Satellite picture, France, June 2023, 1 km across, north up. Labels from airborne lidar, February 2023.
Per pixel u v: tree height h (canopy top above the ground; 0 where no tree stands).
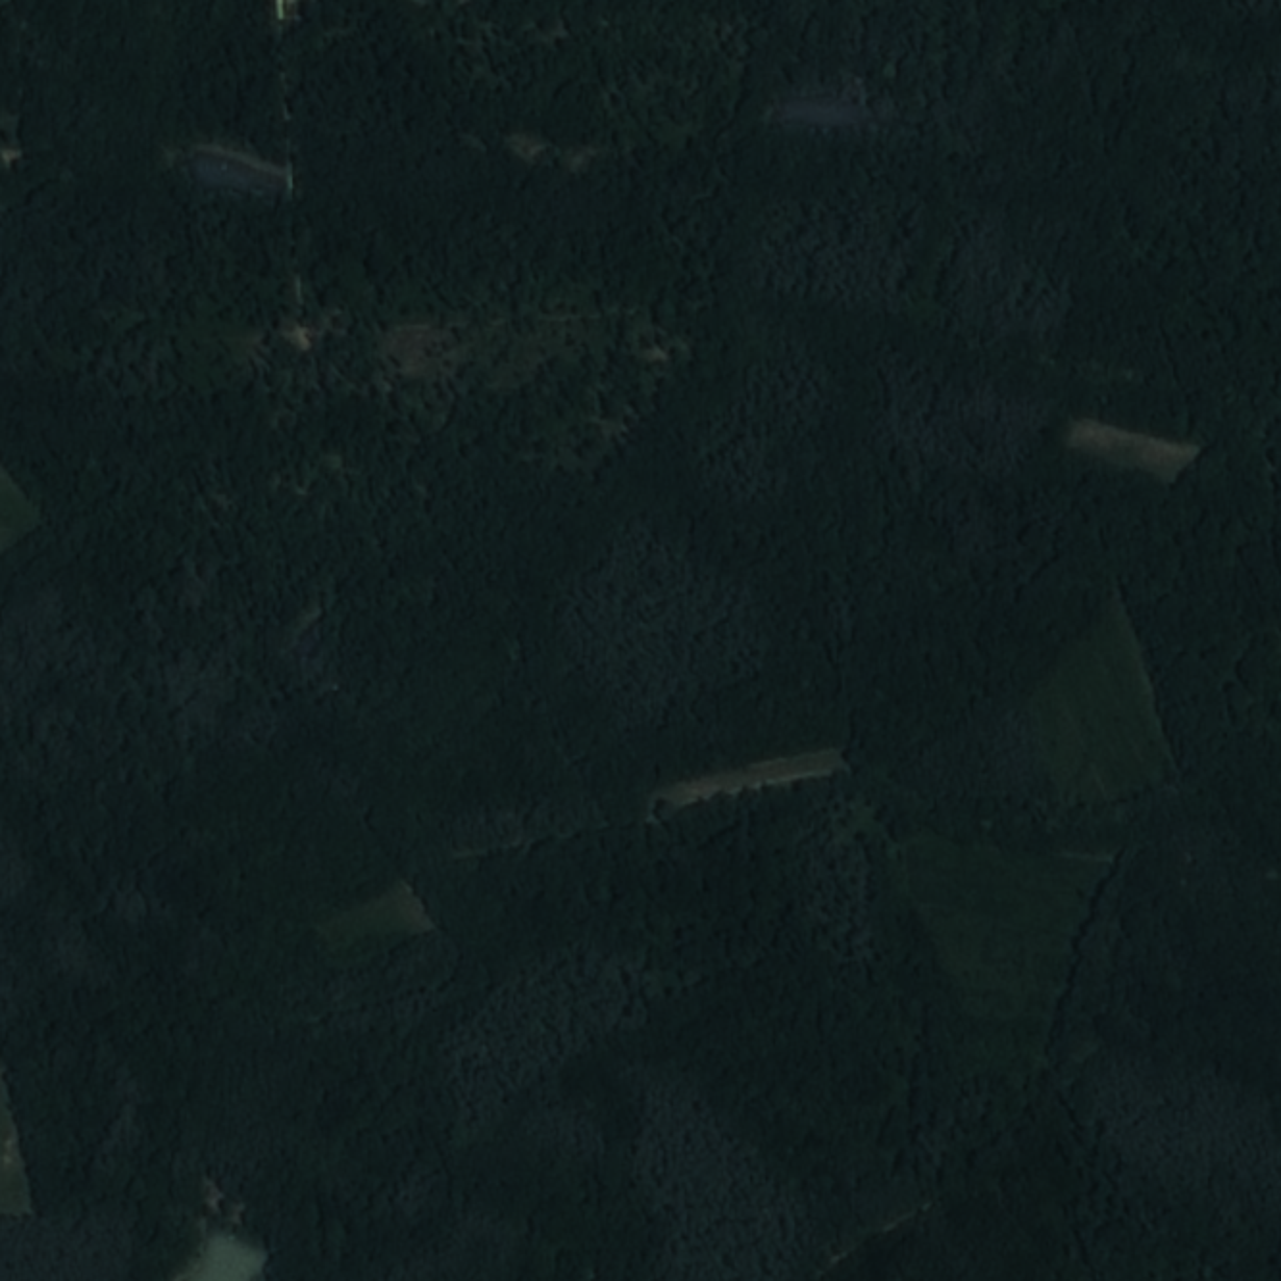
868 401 18
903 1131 23
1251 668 18
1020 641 22
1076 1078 24
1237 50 25
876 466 20
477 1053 27
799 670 21
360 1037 23
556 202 17
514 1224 19
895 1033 23
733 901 23
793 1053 16
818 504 18
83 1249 27
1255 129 24
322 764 21
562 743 18
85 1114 18
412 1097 18
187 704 26
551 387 24
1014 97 28
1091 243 22
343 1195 19
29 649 26
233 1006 20
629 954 25
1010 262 20
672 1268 30
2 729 23
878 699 24
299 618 23
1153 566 23
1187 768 13
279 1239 20
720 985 22
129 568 18
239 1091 17
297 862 13
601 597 27
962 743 19
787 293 28
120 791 23
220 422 16
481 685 17
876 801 25
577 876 25
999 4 17
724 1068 23
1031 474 25
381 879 14
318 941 14
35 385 10
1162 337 15
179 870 27
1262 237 21
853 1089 23
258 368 18
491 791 14
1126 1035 28
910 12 17
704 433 19
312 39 25
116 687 25
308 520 21
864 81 17
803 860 22
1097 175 24
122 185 22
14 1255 27
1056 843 23
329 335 6
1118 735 0
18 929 25
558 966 26
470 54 22
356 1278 23
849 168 28
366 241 8
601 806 14
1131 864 16
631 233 19
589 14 19
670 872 24
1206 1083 24
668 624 28
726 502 18
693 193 20
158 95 9
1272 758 19
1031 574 9
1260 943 23
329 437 9
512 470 21
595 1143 29
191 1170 25
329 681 15
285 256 7
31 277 21
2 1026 26
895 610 25
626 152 21
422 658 20
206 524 15
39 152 18
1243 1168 28
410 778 19
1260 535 20
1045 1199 11
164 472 22
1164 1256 26
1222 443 21
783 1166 23
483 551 21
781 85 22
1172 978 28
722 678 25
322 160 21
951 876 0
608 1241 23
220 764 25
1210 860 27
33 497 16
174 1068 19
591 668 26
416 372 0
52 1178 23
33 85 13
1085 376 20
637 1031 25
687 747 21
